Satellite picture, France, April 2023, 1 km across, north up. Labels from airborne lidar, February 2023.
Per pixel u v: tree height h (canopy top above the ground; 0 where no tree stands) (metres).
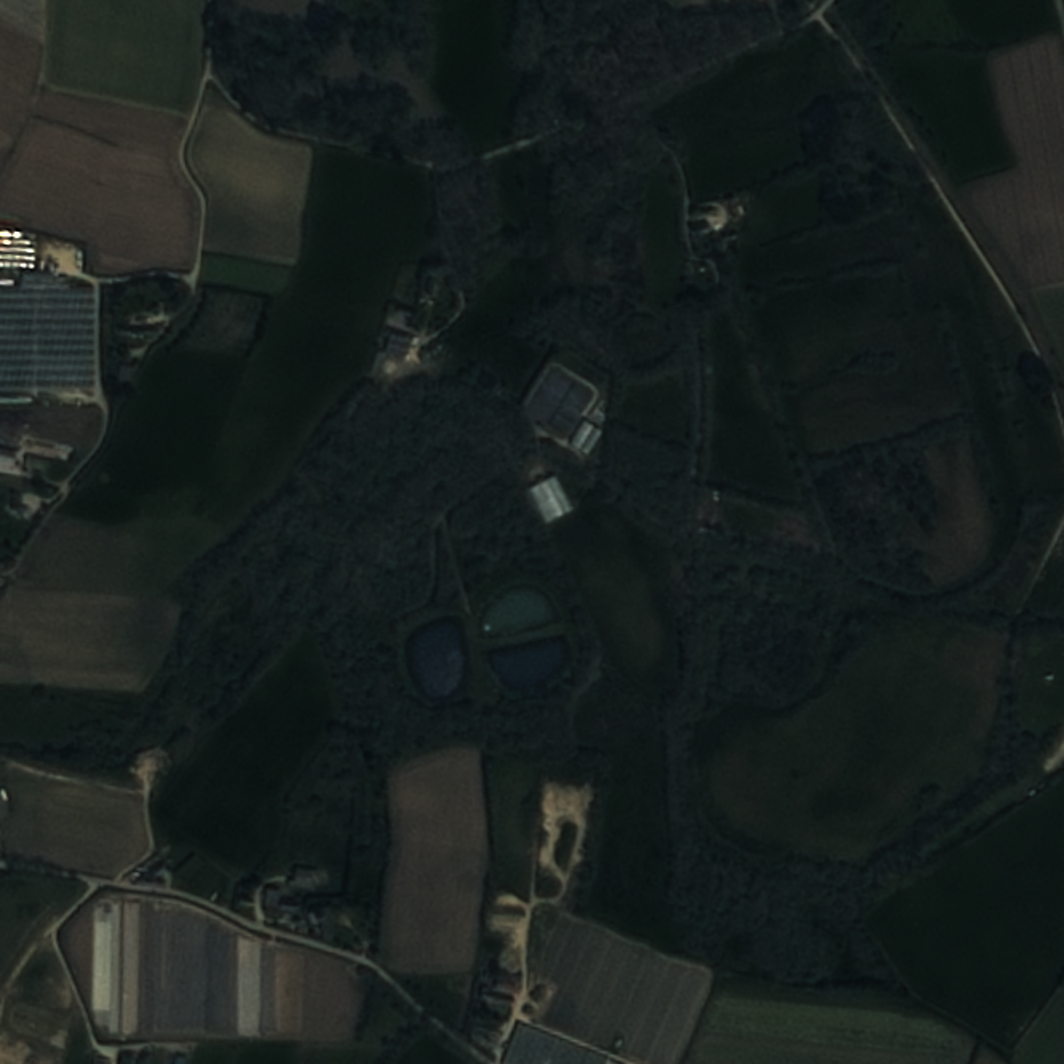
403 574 7
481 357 0
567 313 12
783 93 0
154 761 0
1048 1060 0
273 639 6
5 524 0
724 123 0
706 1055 0
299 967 0
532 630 0
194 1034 0
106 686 0
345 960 0
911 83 0
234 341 6
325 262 0
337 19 19
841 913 9
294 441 0
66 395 0
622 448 7
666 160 8
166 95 0
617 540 0
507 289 0
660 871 0
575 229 0
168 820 0
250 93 29
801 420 0
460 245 24
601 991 0
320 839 0
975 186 0
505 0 0
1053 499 0
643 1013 0
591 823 14
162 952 0
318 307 0
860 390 0
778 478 0
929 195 11
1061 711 0
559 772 0
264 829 0
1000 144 0
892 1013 0
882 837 0
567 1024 0
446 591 8
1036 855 0
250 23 17
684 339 14
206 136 0
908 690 0
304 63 30
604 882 0
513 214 0
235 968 0
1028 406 0
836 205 19
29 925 0
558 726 17
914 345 0
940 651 0
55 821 0
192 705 5
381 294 0
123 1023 0
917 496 16
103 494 0
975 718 0
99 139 0
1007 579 0
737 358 0
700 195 0
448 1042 15
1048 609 0
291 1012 0
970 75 0
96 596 0
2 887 0
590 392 0
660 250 0
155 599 0
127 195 0
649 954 0
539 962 0
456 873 0
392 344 0
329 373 0
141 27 0
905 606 15
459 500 8
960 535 0
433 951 0
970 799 10
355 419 8
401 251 0
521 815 0
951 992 0
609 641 0
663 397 0
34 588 0
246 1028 0
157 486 0
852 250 0
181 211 0
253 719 0
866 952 7
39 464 0
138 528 0
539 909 0
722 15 19
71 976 0
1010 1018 0
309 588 6
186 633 13
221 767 0
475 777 0
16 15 0
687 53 20
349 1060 0
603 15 21
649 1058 0
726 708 0
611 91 15
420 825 0
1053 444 0
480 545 7
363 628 12
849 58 7
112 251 0
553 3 22
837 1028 0
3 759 0
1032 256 0
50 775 0
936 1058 0
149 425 0
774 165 0
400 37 21
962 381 6
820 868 10
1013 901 0
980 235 0
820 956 9
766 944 9
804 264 0
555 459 10
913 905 0
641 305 7
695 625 12
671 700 13
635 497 9
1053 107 0
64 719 0
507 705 9
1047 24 0
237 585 7
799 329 0
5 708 0
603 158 21
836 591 9
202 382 0
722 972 9
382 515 11
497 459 23
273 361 0
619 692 0
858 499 12
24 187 0
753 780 0
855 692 0
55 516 0
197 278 0
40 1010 0
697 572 12
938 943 0
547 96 22
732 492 10
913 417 0
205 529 0
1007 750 6
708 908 8
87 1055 0
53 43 0
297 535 7
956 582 0
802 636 19
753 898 12
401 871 0
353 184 0
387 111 23
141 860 0
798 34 9
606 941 0
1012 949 0
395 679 12
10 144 0
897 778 0
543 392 0
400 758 9
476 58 0
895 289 0
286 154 0
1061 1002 0
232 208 0
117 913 0
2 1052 0
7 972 0
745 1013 0
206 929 0
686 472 10
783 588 9
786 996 0
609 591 0
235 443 0
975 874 0
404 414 9
